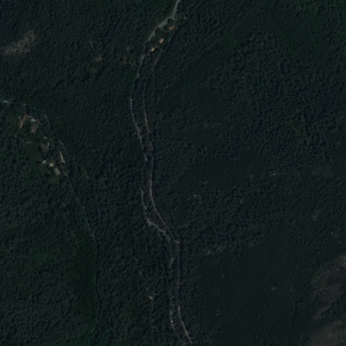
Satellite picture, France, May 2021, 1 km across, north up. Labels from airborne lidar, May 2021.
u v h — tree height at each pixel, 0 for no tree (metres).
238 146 7
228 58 6
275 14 11
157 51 20
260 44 25
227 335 9
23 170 36
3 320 32
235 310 10
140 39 26
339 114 26
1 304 30
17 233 7
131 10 26
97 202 21
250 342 8
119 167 11
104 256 15
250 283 9
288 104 17
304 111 6
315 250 7
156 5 18
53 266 12
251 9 29
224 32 25
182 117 14
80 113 18
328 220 16
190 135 9
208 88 7
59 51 21
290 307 6
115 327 26
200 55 8
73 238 15
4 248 8
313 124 25
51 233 14
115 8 12
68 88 20
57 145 26
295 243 6
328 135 9
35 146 0
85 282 20
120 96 10
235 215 7
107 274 22
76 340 27
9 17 20
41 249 17
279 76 19
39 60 19
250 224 17
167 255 28
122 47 29
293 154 8
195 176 8
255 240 15
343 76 7
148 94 18
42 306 34
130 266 21
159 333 15
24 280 19
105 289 13
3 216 31
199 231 7
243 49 21
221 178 7
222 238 18
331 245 6
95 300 17
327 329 0
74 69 26
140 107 24
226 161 7
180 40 26
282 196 7
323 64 6
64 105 21
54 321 31
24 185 37
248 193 19
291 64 18
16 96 15
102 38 26
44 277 32
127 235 19
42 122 19
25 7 11
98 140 18
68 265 18
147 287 30
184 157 24
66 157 24
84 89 26
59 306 35
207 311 7
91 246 21
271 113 14
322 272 7
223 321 7
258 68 21
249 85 11
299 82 25
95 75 7
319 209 12
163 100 8
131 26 28
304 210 6
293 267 6
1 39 16
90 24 27
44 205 31
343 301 19
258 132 16
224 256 6
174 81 7
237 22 24
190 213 22
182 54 23
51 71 25
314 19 20
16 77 13
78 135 18
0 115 28
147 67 19
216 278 7
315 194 10
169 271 28
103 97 10
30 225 10
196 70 8
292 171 14
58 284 37
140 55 20
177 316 16
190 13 12
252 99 6
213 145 7
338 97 22
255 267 8
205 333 7
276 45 22
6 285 12
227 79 6
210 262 7
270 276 7
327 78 8
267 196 7
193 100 7
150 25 19
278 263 6
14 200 33
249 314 6
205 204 22
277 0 7
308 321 7
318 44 19
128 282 17
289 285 6
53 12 22
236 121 6
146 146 22
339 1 17
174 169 27
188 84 8
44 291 30
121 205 26
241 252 6
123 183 14
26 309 35
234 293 6
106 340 10
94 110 13
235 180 7
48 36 22
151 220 23
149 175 16
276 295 6
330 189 7
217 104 8
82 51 21
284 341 8
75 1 31
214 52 9
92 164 16
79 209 37
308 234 7
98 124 19
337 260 0
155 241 10
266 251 6
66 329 32
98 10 21
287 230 7
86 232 15
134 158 11
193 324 19
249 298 9
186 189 15
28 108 20
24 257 19
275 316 9
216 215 27
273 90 16
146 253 6
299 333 8
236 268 6
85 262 22
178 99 9
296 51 12
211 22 23
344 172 6
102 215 23
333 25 23
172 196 18
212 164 8
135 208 16
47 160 31
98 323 22
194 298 15
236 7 17
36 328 28
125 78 15
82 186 27
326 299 6
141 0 7
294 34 11
